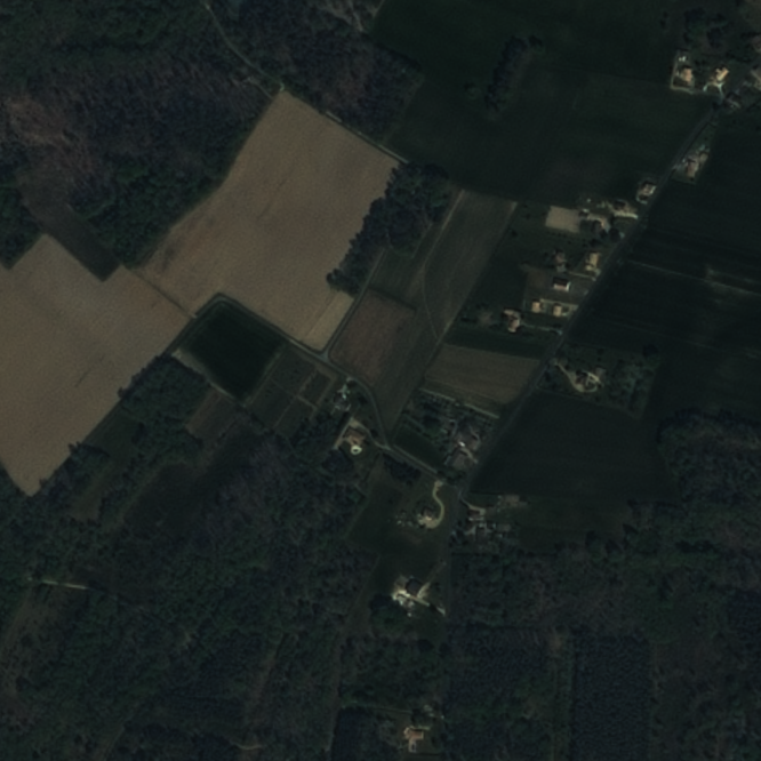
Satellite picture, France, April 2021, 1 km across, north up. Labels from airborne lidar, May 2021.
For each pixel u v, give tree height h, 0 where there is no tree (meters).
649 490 0
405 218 25
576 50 0
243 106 16
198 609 8
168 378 19
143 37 18
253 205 0
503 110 13
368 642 15
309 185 0
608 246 7
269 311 0
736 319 0
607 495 0
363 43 17
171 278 0
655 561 22
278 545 20
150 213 18
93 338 0
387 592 0
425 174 17
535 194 0
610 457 0
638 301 0
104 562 11
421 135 0
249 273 0
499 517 0
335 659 11
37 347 0
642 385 14
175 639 19
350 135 0
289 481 16
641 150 0
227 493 20
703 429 20
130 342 0
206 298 0
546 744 18
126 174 23
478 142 0
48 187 0
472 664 13
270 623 18
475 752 18
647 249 0
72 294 0
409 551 0
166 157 16
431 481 0
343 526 19
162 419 19
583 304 0
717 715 22
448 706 13
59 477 14
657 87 0
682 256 0
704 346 0
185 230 0
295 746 23
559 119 0
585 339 0
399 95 16
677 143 0
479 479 0
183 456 19
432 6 0
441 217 16
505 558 14
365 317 0
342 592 8
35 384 0
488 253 0
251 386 0
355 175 0
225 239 0
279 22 22
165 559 14
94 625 14
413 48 0
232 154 21
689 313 0
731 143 0
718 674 5
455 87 0
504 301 0
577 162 0
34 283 0
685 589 8
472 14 0
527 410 0
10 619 12
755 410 0
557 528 0
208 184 18
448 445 8
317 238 0
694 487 24
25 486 0
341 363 0
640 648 20
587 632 13
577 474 0
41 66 21
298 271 0
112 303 0
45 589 9
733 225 0
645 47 0
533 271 0
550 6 0
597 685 19
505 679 17
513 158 0
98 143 23
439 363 0
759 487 21
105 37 6
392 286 0
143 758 11
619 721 21
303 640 14
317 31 14
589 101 0
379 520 0
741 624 20
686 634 5
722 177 0
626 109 0
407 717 0
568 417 0
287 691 11
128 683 15
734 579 16
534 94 0
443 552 0
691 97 0
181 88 12
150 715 10
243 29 10
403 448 0
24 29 16
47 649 9
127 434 0
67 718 10
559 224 0
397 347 0
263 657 20
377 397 0
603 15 0
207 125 26
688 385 0
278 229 0
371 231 16
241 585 18
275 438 12
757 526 13
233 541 17
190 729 7
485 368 0
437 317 0
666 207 0
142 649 17
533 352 0
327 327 0
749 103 13
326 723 11
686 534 15
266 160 0
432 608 7
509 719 21
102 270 0
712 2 0
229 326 0
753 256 0
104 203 19
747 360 0
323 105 21
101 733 15
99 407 0
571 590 7
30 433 0
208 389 15
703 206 0
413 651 19
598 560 16
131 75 9
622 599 10
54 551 15
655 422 0
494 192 0
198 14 27
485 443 11
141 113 20
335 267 0
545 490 0
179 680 19
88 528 7
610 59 0
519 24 0
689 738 11
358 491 13
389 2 0
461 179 0
